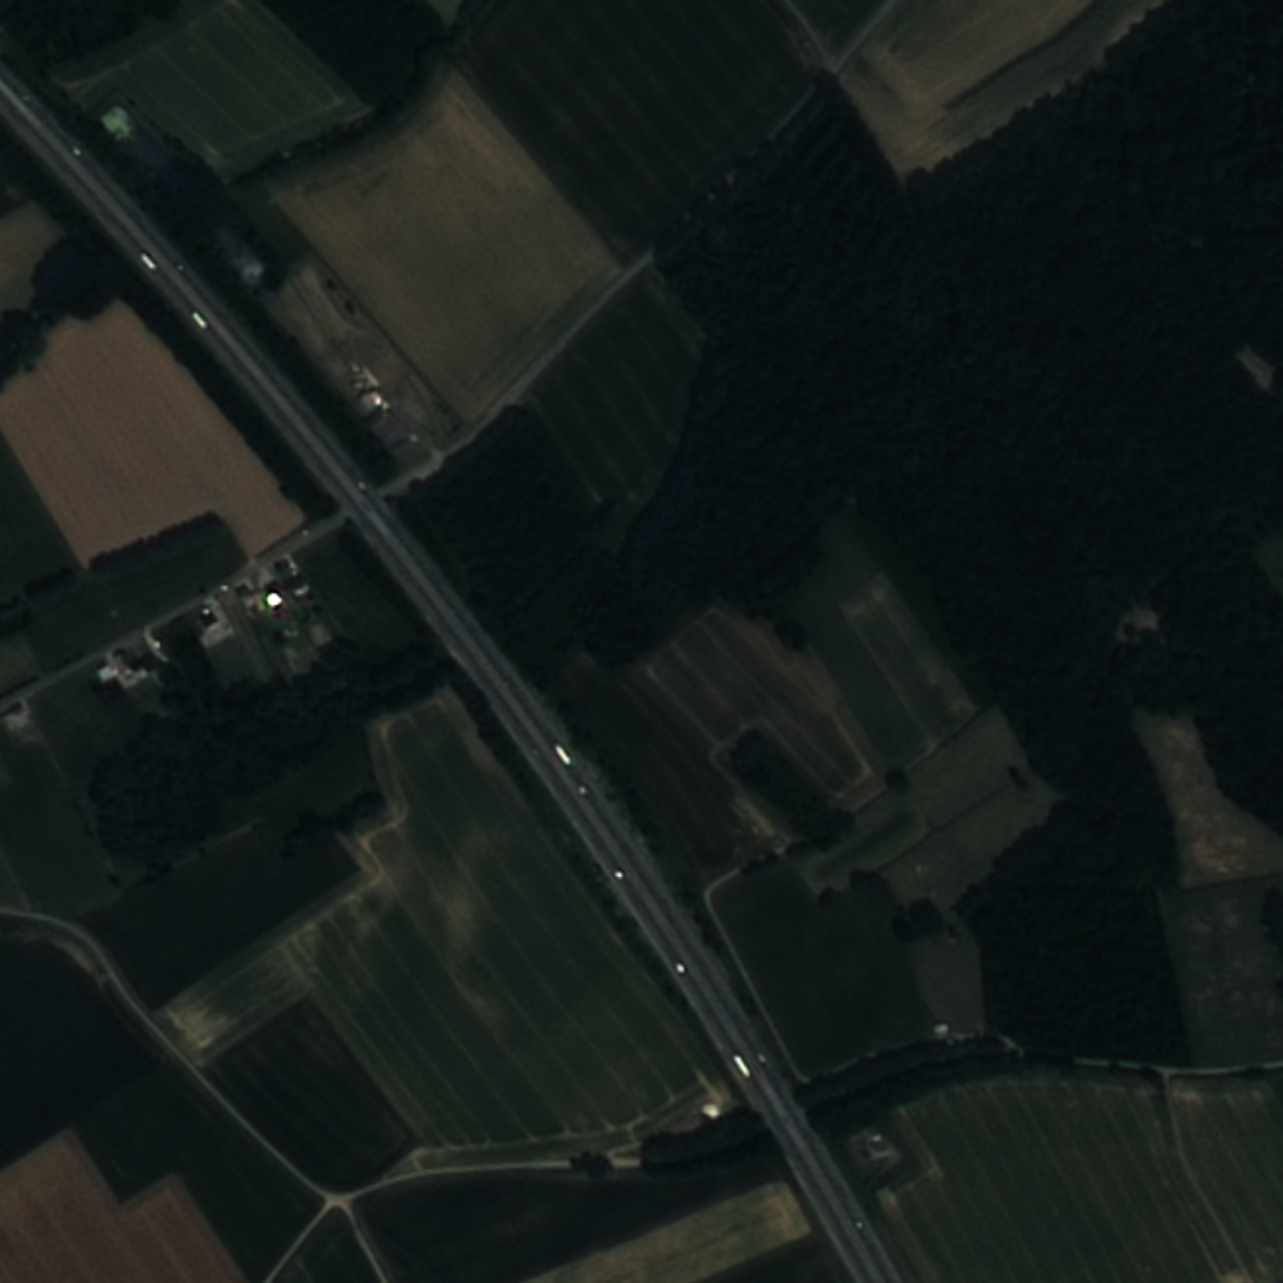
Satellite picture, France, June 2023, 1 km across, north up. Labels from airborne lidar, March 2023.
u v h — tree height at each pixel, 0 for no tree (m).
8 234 0
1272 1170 0
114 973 0
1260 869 0
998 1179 0
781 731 0
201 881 0
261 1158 0
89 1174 0
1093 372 18
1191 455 16
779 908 0
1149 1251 0
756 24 0
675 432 0
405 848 0
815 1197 0
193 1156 0
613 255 0
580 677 0
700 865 0
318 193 0
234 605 0
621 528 0
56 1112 0
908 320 23
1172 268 23
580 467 0
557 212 0
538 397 0
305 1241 0
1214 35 25
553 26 0
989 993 8
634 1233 0
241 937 0
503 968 0
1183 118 20
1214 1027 0
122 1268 0
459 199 0
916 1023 0
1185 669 21
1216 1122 0
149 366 0
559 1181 0
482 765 0
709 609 0
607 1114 0
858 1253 0
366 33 17
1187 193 27
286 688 19
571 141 0
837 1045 0
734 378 20
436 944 0
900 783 16
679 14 0
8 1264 0
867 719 0
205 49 0
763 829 0
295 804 0
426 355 0
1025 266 16
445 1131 0
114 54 0
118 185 0
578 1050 0
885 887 9
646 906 0
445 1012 0
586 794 0
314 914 0
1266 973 0
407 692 18
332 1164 0
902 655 0
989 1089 0
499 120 0
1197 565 17
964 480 21
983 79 0
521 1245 0
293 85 0
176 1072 0
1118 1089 0
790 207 17
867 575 0
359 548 10
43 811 0
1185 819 0
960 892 0
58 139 0
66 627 0
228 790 22
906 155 0
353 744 0
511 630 12
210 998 0
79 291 37
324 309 0
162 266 0
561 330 0
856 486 22
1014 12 0
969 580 20
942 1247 0
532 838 0
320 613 8
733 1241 0
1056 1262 0
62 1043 0
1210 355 22
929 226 32
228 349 0
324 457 0
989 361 22
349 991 0
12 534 0
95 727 0
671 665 0
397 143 0
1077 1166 0
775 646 0
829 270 17
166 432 0
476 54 0
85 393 0
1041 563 23
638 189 0
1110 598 22
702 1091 0
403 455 0
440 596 0
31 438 0
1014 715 16
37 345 18
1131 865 21
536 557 14
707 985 0
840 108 26
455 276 0
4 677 0
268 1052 0
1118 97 20
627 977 0
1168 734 0
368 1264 0
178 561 0
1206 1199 0
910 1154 0
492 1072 0
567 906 0
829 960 0
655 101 0
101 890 0
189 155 11
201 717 20
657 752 0
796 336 24
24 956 0
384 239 0
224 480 0
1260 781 20
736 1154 16
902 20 0
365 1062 0
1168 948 10
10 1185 0
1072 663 22
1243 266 20
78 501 0
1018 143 21
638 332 0
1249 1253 0
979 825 0
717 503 27
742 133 0
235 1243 0
